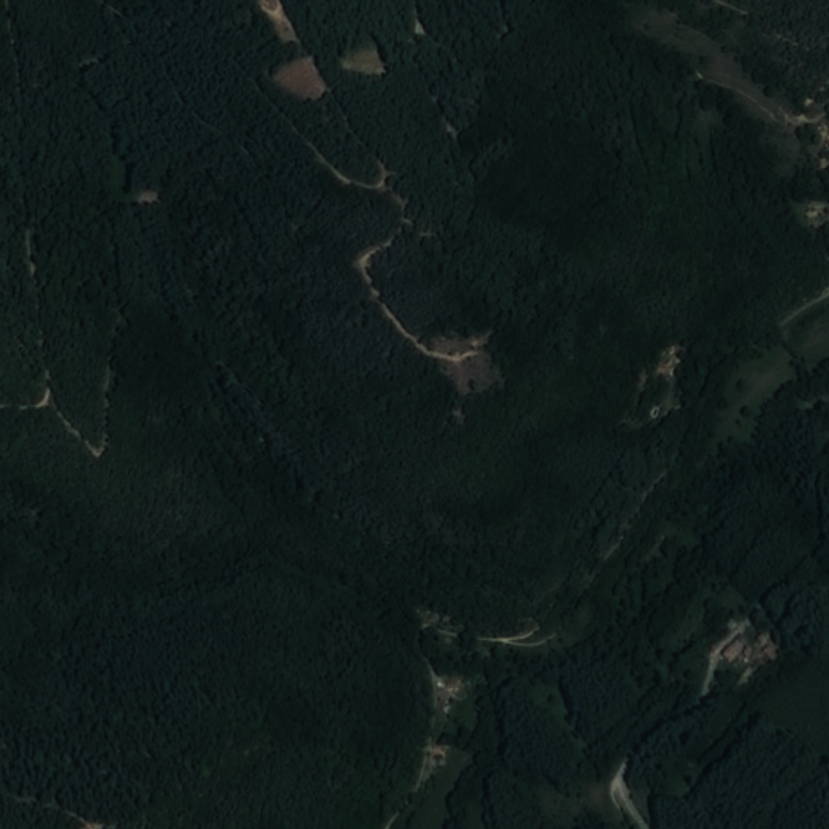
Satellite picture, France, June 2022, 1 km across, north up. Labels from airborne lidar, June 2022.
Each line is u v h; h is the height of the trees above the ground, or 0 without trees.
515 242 26
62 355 21
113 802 25
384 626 17
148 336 29
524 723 31
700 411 35
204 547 19
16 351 16
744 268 15
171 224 15
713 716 36
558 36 22
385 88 24
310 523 13
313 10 29
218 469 23
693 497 15
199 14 20
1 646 29
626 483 44
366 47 34
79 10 22
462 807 17
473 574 15
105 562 20
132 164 32
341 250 16
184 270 20
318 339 22
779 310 15
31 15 26
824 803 24
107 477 9
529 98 24
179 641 28
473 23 28
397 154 22
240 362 18
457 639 7
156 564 19
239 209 7
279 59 20
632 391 16
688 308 12
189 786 18
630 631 19
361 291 22
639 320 14
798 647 28
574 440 10
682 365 10
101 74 37
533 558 30
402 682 20
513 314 28
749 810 23
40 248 22
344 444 22
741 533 14
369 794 7
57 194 27
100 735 28
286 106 20
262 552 21
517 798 30
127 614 23
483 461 12
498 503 19
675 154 15
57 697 28
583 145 28
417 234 12
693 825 31
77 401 19
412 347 18
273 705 13
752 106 0
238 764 19
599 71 16
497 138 24
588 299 22
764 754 28
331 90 15
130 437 22
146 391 22
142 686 22
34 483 17
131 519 18
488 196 18
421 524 18
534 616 11
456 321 31
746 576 15
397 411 20
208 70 25
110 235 26
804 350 0
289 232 27
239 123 18
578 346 18
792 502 12
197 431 26
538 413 17
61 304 23
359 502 22
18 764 21
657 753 27
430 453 15
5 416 14
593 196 12
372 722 18
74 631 20
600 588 10
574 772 22
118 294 25
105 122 40
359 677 21
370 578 12
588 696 34
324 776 21
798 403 15
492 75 25
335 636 17
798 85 9
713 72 0
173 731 20
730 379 22
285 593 30
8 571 17
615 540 18
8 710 29
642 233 12
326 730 28
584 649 24
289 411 17
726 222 17
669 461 19
